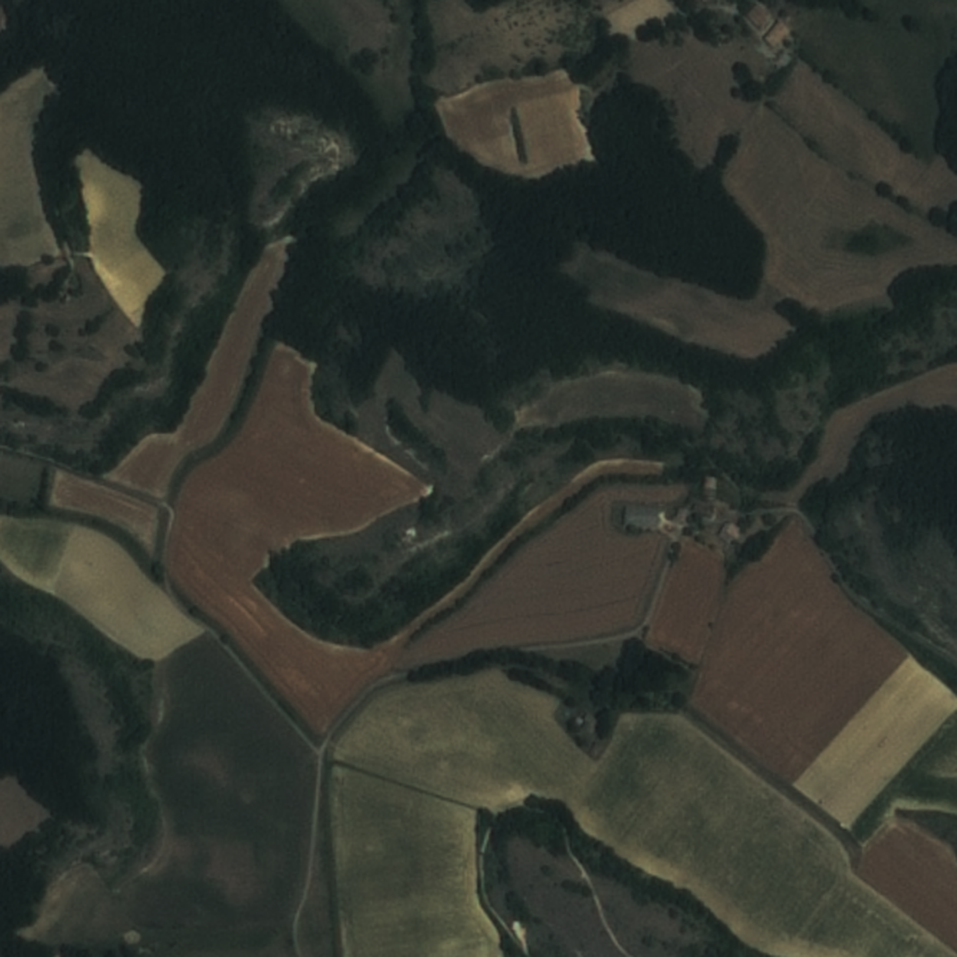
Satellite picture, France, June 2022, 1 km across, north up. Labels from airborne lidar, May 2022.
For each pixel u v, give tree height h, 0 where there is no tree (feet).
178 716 0
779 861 0
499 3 39
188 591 0
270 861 0
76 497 0
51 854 32
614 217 66
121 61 43
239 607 0
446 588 22
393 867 0
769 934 0
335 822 0
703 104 0
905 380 32
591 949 0
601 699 58
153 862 0
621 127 56
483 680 0
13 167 0
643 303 0
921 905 0
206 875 0
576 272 0
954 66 59
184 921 0
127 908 0
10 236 0
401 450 0
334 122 27
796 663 0
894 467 31
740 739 0
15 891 51
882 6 0
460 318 28
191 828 0
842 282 0
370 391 23
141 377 27
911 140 36
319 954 0
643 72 0
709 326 0
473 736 0
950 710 0
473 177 52
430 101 46
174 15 35
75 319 0
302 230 55
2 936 64
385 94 0
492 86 0
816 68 29
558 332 44
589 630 0
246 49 35
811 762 0
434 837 0
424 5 43
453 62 0
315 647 0
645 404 0
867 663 0
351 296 35
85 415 25
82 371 0
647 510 0
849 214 0
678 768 0
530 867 0
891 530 26
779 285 0
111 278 0
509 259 52
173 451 0
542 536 0
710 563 0
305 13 0
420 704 0
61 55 39
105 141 51
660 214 56
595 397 0
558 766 0
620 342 36
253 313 0
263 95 21
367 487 0
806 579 0
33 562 0
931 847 0
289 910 0
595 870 32
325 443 0
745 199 0
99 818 22
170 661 0
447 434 0
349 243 38
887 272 0
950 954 0
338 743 0
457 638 0
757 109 0
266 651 0
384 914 0
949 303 19
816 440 44
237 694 0
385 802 0
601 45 46
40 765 51
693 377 28
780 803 0
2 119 0
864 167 0
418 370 35
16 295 36
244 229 32
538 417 0
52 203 35
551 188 54
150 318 20
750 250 51
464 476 0
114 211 0
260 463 0
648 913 0
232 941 0
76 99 50
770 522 37
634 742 0
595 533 0
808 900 0
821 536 47
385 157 79
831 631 0
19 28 41
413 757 0
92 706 0
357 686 0
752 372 53
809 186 0
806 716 0
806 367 39
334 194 64
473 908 0
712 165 23
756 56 0
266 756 0
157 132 37
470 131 0
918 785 0
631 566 0
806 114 0
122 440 26
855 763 0
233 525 0
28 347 23
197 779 0
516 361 34
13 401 26
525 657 55
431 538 0
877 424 33
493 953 0
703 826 0
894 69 0
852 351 30
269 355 0
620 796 0
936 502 41
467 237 22
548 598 0
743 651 0
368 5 0
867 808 0
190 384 58
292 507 0
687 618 0
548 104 0
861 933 0
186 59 31
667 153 32
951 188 0
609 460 0
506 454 26
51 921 0
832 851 0
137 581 0
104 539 0
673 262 58
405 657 0
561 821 28
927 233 0
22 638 27
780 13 25
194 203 51
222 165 30
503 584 0
